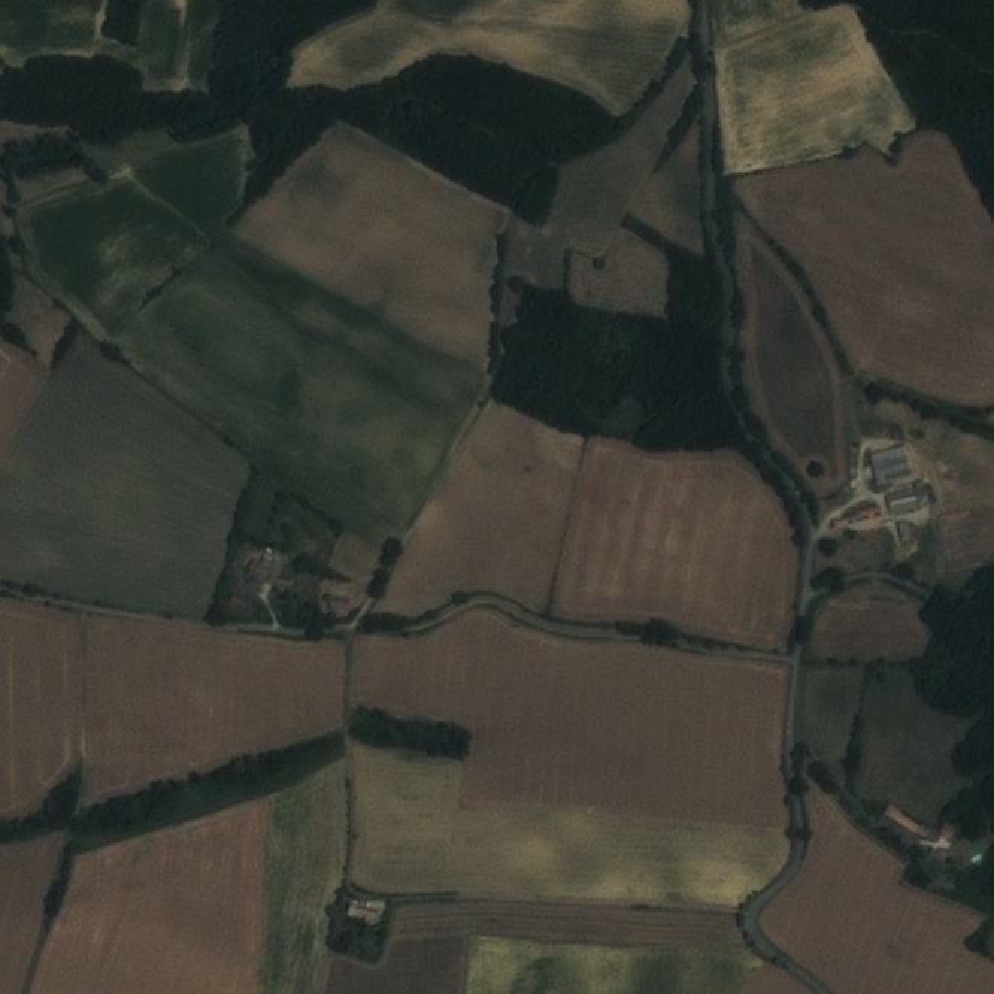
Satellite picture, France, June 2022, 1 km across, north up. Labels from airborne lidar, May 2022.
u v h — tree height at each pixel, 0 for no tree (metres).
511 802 0
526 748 0
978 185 12
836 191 0
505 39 0
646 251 0
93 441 0
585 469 0
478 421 0
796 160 0
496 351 12
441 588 0
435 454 0
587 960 0
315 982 0
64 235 0
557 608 0
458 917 0
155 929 0
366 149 0
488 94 9
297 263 0
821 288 0
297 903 0
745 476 0
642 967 0
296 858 0
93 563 0
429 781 0
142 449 0
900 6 11
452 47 0
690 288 14
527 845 0
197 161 0
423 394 0
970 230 0
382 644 0
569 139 7
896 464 0
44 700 0
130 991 0
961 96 8
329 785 0
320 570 11
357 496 0
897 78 6
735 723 0
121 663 0
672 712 0
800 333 0
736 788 0
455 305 0
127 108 21
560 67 0
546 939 0
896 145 10
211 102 24
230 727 0
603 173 0
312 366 0
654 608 0
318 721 0
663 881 0
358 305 0
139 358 0
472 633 0
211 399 0
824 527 0
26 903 0
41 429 0
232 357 0
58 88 20
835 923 0
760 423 15
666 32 0
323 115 20
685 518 0
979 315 0
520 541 0
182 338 0
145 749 0
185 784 13
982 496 0
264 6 10
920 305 0
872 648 0
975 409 13
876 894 0
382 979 0
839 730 0
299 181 0
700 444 14
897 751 0
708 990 0
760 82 0
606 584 0
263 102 32
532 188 16
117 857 0
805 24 0
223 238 0
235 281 0
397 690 0
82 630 0
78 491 0
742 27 0
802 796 11
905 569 13
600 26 0
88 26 0
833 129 0
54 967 0
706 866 0
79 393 0
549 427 11
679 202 0
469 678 0
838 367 0
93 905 0
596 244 0
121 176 0
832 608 0
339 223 0
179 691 0
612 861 0
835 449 0
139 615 0
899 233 0
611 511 0
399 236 0
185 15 0
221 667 0
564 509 0
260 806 0
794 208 0
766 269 0
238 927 0
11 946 0
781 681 0
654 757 0
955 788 0
